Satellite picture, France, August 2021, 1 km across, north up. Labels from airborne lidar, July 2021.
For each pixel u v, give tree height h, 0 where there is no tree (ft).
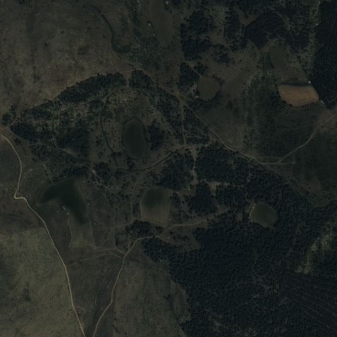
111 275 0
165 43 0
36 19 0
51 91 0
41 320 0
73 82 0
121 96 0
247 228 28
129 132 0
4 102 0
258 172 42
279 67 0
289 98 0
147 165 0
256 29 31
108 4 0
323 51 40
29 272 0
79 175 39
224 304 24
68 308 0
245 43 22
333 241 19
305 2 0
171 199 28
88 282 0
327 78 55
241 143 0
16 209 0
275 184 30
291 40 29
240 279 32
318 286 42
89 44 0
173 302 0
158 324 0
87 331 0
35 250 0
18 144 23
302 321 19
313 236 26
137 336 0
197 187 30
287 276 32
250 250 34
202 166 35
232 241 43
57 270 0
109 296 0
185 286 37
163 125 0
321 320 47
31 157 0
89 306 0
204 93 0
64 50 0
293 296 36
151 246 35
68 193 0
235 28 27
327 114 0
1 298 0
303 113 0
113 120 0
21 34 0
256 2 29
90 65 0
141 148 0
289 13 23
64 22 0
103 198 0
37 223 0
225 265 49
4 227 0
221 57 27
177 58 0
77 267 0
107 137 0
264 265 29
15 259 0
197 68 29
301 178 0
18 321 0
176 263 31
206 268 39
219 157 31
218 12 0
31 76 0
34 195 0
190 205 31
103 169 43
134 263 0
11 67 0
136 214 0
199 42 30
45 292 0
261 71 0
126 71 0
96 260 0
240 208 42
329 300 37
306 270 0
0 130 0
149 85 30
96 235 0
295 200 34
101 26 0
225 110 0
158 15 0
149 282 0
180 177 31
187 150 22
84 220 0
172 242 0
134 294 0
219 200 29
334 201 25
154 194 0
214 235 44
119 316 0
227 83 0
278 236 34
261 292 22
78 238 0
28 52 0
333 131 0
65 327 0
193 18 30
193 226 0
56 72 0
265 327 24
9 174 0
